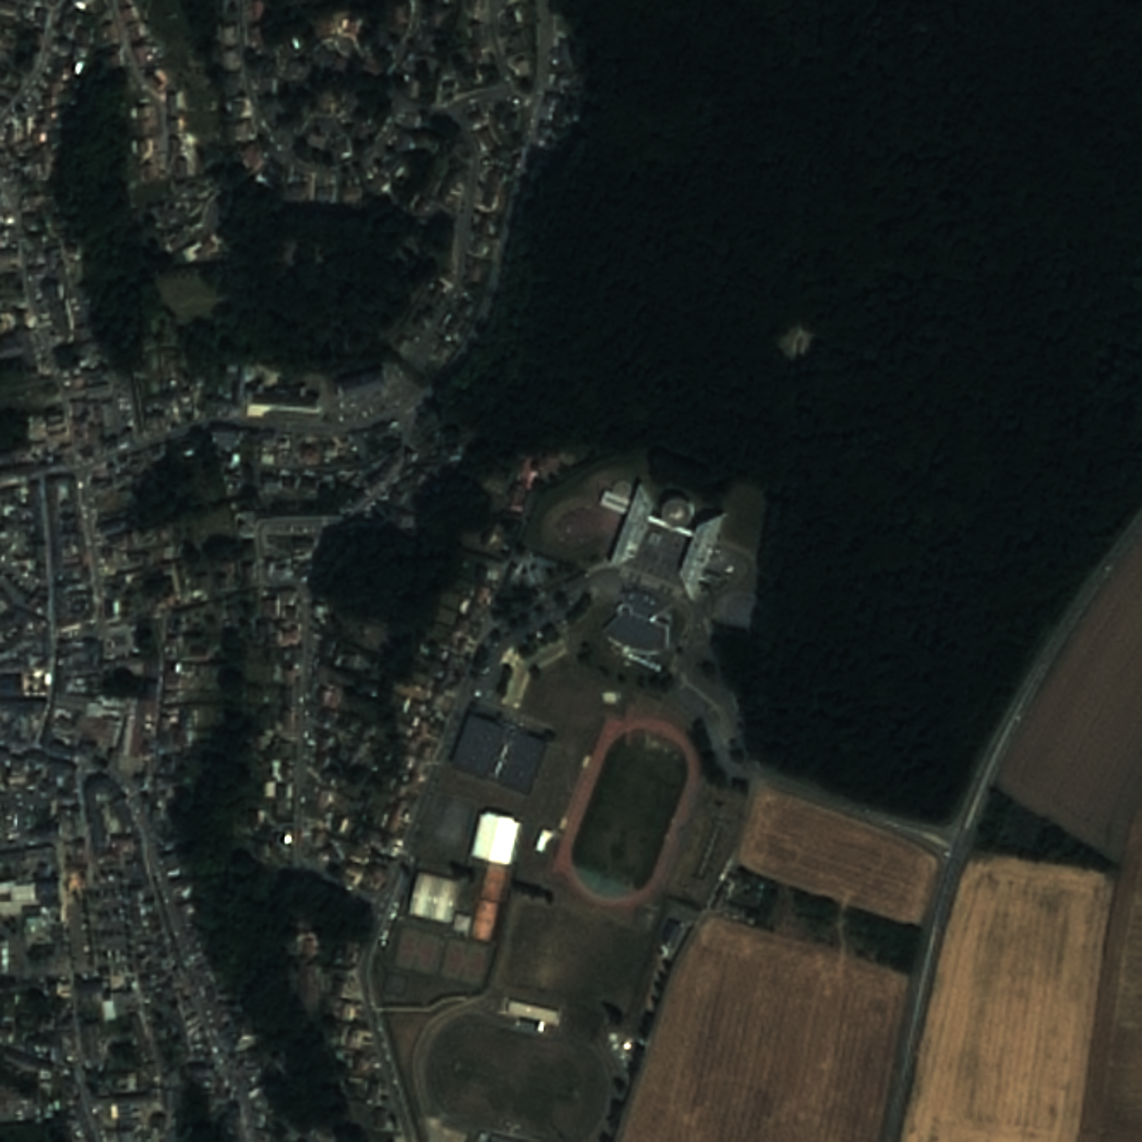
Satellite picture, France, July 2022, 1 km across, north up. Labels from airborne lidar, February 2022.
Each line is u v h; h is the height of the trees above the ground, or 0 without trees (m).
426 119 8
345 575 20
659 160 24
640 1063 11
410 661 22
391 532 19
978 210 24
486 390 12
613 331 25
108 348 22
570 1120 0
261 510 0
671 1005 0
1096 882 0
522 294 11
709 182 24
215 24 13
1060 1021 0
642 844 0
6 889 0
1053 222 25
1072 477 22
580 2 23
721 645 13
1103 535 21
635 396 22
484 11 0
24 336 0
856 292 24
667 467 16
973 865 0
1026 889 0
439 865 0
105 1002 0
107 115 14
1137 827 0
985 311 25
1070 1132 0
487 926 0
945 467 23
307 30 11
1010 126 27
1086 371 25
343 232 21
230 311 18
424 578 22
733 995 0
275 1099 23
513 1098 0
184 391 0
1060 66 25
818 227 27
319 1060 22
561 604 11
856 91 25
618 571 0
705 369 22
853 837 0
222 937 20
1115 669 0
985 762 0
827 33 24
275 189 19
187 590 0
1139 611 0
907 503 22
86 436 0
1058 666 0
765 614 16
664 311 23
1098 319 25
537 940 0
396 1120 19
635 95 26
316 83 14
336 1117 20
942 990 0
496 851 0
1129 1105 0
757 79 24
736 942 0
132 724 0
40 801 0
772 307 22
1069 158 26
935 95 26
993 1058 0
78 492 0
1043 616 11
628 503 0
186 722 0
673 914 0
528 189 16
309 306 23
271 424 0
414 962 0
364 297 18
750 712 12
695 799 0
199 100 0
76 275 0
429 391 0
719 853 0
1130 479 25
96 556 0
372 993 0
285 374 6
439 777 0
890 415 23
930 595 21
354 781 10
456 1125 0
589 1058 0
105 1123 0
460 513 21
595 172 22
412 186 11
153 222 11
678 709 0
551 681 0
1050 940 0
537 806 0
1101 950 0
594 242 24
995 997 0
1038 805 0
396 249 20
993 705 10
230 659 14
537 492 15
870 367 26
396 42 13
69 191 9
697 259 25
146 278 20
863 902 0
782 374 22
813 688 15
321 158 13
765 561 14
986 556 22
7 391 0
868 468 26
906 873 0
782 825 0
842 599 24
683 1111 0
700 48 27
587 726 0
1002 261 25
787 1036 0
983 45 27
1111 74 25
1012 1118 0
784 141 23
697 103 20
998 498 22
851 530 20
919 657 23
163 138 0
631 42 25
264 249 23
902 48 24
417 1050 0
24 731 0
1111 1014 0
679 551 0
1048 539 20
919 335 26
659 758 0
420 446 0
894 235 26
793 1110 0
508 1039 0
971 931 0
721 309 24
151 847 0
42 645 0
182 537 0
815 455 27
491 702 0
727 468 13
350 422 0
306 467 0
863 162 25
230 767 22
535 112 0
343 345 18
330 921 17
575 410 11
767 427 25
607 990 0
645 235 17
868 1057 0
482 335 16
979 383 26
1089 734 0
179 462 7
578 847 0
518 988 0
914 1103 0
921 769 17
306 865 0
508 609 11
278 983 22
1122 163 26
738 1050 0
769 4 27
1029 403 28
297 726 0
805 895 6
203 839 17
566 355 20
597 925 0
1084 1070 0
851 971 0
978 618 22
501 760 0
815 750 18
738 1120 0
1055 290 24
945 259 27
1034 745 0
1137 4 24
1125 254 21
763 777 0
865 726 17
